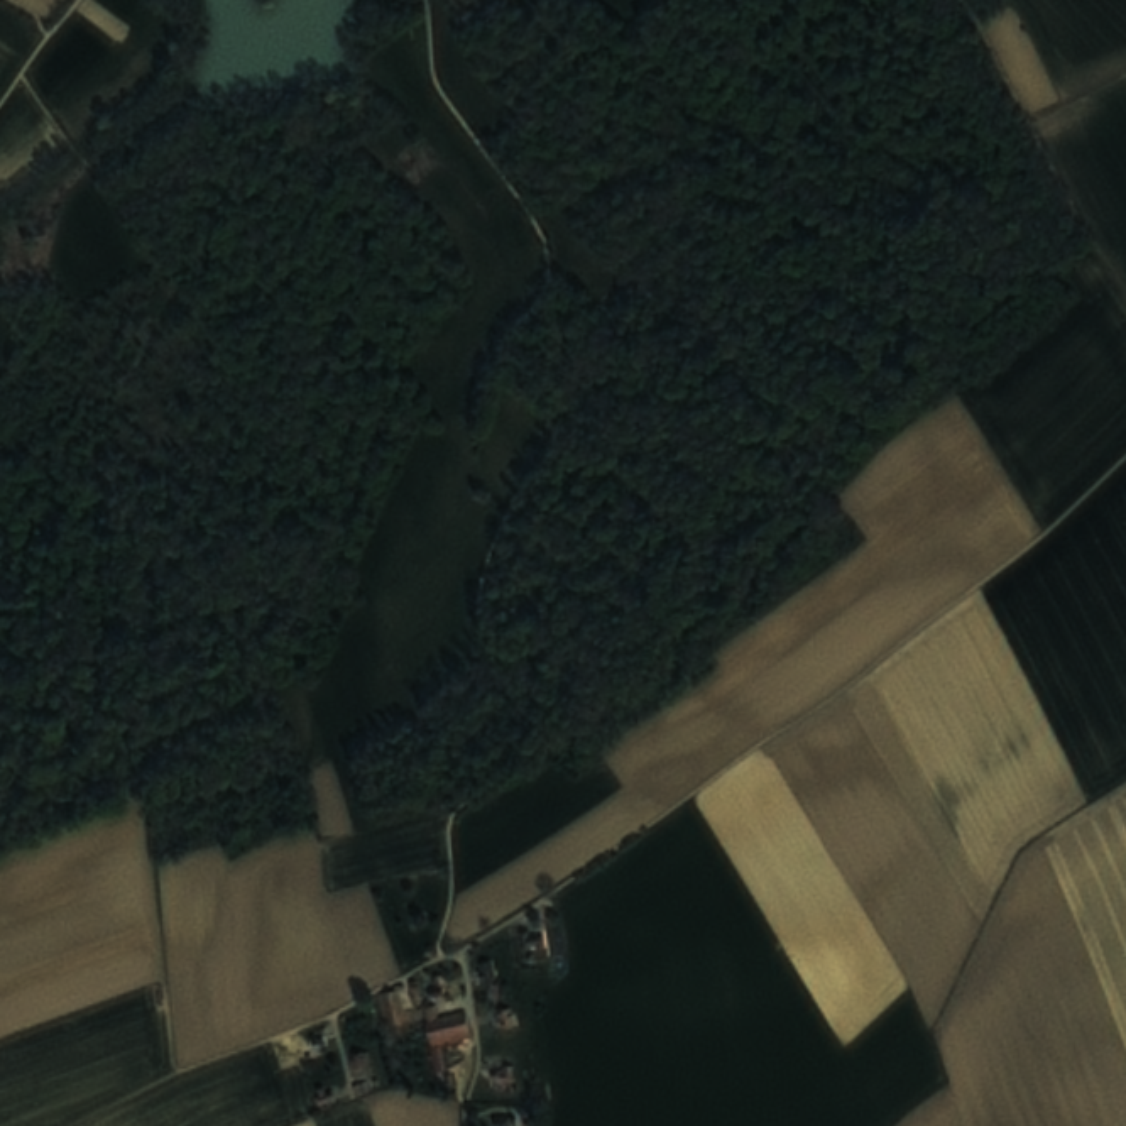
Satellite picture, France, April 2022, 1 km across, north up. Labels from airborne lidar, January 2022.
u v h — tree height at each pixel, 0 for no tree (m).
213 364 23
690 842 0
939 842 0
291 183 26
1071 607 0
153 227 29
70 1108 0
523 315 20
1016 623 0
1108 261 0
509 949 0
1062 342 0
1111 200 0
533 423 0
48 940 0
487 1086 0
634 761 0
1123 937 0
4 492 25
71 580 28
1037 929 0
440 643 0
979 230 32
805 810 0
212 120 25
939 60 27
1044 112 0
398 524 0
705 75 23
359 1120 0
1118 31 0
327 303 27
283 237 28
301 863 0
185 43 21
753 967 0
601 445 34
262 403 28
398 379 24
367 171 24
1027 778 0
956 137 25
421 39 0
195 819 34
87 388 11
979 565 0
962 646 0
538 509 33
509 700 17
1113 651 0
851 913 0
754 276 31
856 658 0
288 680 20
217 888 0
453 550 0
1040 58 0
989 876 0
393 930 0
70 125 0
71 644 29
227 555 35
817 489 30
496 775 26
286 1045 0
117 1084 0
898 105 26
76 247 0
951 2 31
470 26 20
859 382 38
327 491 15
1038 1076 0
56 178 12
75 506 20
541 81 24
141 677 32
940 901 0
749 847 0
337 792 0
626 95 28
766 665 0
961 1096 0
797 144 30
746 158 30
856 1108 0
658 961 0
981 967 0
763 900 0
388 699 0
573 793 0
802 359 37
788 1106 0
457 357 0
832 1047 0
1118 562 0
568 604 36
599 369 24
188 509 27
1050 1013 0
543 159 34
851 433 32
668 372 36
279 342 29
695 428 33
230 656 33
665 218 28
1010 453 0
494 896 0
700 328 36
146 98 20
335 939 0
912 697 0
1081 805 0
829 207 35
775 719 0
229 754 40
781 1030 0
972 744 0
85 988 0
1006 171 30
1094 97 0
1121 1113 0
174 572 35
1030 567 0
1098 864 0
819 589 0
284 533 32
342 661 0
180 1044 0
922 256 35
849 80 29
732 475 30
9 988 0
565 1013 0
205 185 29
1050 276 23
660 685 29
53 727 29
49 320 19
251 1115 0
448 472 0
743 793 0
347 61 11
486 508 0
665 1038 0
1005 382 0
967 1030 0
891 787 0
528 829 0
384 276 29
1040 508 0
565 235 0
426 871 0
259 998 0
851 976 0
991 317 28
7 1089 0
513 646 36
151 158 29
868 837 0
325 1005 0
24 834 20
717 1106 0
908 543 0
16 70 0
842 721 0
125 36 0
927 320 34
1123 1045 0
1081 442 0
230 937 0
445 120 0
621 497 29
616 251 29
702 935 0
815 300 23
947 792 0
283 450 26
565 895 0
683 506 38
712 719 0
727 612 25
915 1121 0
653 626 35
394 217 28
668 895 0
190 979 0
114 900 0
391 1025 14
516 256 0
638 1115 0
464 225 0
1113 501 0
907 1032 0
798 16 29
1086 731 0
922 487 0
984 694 0
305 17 0
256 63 0
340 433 27
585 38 28
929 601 0
